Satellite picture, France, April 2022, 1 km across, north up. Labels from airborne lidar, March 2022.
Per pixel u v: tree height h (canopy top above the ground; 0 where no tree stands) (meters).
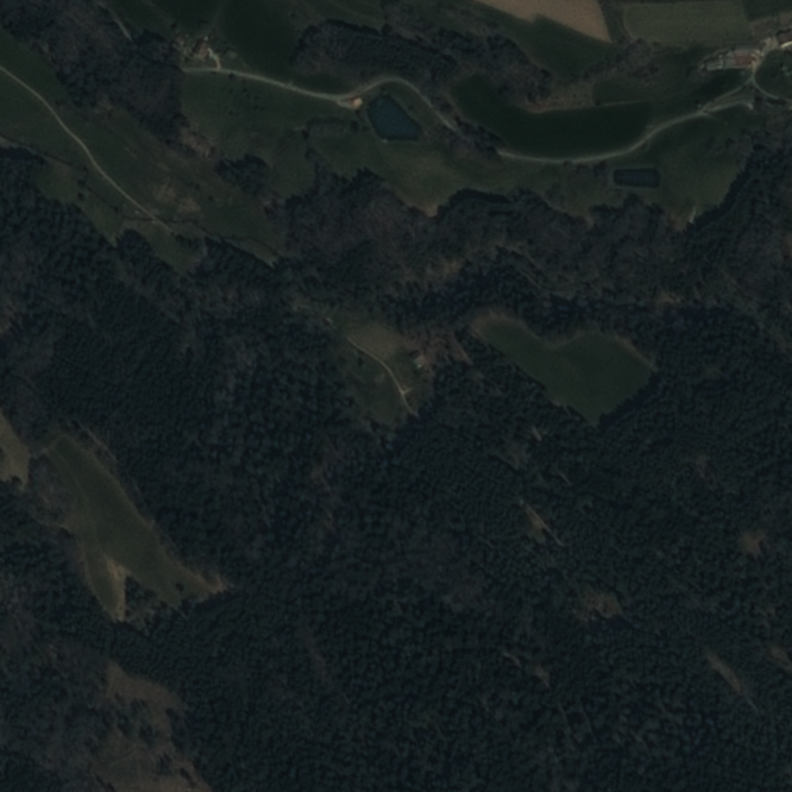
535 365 0
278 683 27
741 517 30
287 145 0
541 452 28
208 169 0
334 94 0
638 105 0
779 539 20
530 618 23
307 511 23
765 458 15
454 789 28
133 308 20
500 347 0
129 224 0
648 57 19
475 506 37
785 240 27
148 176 0
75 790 30
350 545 30
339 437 27
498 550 30
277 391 29
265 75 0
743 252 35
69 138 0
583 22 0
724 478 29
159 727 0
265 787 22
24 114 0
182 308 8
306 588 26
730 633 34
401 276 35
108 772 0
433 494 36
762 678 34
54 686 28
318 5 0
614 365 0
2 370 28
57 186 0
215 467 18
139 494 21
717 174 0
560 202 25
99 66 30
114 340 17
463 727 31
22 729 36
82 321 21
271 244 0
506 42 22
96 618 36
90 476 0
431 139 0
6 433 0
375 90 0
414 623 25
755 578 32
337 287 25
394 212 32
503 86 19
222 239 0
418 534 40
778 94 0
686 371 24
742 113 0
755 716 31
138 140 0
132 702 0
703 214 0
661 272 20
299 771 26
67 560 27
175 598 0
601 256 31
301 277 34
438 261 25
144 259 36
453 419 27
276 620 17
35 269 31
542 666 21
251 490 13
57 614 9
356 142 0
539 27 0
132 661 32
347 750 30
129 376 21
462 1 0
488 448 34
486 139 22
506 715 33
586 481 22
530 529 32
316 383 27
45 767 30
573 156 0
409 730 23
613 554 29
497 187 0
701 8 0
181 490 25
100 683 22
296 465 23
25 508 24
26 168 33
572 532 31
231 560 23
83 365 25
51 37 25
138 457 23
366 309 27
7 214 34
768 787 21
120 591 0
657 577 31
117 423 21
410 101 0
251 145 0
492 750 28
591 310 23
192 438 18
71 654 31
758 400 24
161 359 20
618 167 0
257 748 29
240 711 26
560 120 0
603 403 0
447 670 22
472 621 25
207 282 26
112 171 0
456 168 0
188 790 33
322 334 21
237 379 30
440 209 0
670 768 27
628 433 25
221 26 0
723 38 0
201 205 0
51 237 30
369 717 27
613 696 33
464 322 19
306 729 28
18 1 22
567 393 0
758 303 31
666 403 29
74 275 34
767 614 23
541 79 17
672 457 29
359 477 33
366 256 30
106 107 30
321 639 26
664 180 0
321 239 33
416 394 0
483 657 16
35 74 0
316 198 14
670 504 20
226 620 29
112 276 21
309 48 21
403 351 0
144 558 0
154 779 0
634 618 39
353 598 32
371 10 0
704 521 13
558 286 7
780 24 0
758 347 15
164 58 23
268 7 0
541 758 28
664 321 18
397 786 28
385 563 34
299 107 0
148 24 0
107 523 0
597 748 25
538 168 0
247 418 30
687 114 0
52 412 20
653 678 39
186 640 29
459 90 0
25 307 39
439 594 26
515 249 27
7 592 29
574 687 19
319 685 32
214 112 0
